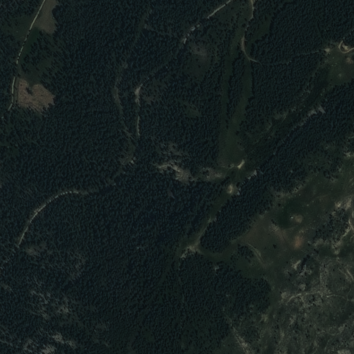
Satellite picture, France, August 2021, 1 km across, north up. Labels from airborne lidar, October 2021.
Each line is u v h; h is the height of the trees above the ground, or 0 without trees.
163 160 13
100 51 13
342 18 12
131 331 11
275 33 11
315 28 15
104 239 28
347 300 0
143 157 22
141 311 17
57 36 19
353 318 0
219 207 0
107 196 26
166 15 19
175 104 14
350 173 0
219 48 11
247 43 13
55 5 0
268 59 15
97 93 20
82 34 22
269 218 0
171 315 11
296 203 0
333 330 0
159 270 13
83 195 22
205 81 10
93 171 22
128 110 21
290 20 15
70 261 10
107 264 28
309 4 12
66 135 18
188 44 7
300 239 0
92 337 6
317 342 0
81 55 20
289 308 0
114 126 22
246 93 0
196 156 7
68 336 7
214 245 11
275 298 0
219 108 13
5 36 23
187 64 15
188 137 12
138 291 21
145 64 25
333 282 0
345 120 12
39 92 0
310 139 13
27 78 0
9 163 22
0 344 10
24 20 0
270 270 0
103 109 19
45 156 14
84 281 15
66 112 20
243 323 0
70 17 23
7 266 19
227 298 9
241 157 0
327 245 0
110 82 15
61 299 7
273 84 15
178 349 7
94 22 17
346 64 0
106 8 17
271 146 14
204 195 9
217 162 11
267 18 15
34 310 8
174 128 19
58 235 14
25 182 18
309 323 0
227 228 7
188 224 13
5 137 23
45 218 8
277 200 0
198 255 10
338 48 0
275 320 0
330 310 0
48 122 15
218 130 12
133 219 12
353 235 0
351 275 0
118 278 24
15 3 21
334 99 12
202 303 9
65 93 22
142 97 11
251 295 7
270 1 12
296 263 0
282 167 7
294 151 11
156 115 16
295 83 14
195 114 0
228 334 9
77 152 19
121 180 21
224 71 12
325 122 9
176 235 10
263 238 0
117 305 18
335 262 0
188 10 16
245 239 0
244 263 0
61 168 21
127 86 10
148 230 15
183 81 14
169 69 22
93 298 12
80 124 18
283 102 16
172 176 15
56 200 10
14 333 9
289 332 0
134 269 21
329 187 0
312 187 0
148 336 0
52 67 0
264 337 0
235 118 0
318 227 0
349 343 0
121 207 20
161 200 25
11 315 12
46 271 12
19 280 11
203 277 9
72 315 8
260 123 6
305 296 0
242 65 14
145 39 23
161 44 26
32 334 10
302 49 9
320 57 11
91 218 20
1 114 22
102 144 17
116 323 7
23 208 14
